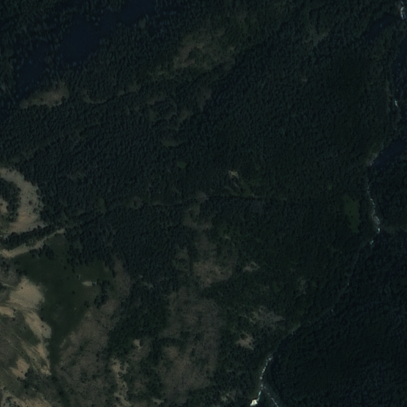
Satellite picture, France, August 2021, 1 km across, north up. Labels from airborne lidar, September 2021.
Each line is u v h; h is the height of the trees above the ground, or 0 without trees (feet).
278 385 53
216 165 84
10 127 66
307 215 43
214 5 63
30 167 53
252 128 100
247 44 47
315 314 37
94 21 74
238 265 25
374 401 105
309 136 61
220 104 64
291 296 31
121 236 79
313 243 74
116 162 71
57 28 49
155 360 38
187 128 76
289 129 69
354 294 63
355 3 123
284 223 59
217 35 25
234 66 34
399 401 31
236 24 30
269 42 64
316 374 64
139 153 82
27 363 0
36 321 0
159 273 65
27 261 0
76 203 57
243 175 56
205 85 48
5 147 40
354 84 79
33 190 0
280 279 34
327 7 66
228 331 26
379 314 88
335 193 47
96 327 0
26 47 48
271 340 83
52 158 73
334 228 45
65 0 60
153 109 79
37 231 55
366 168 40
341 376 68
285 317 32
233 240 31
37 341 0
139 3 66
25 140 45
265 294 30
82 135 52
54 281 0
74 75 45
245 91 58
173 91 24
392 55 105
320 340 76
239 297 27
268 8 65
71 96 41
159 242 58
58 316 0
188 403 36
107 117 64
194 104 46
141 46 90
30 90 24
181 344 20
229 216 76
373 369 74
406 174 22
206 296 36
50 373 0
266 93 98
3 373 0
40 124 52
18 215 36
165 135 78
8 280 0
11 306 0
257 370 63
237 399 30
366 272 66
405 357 68
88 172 75
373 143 57
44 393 0
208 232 39
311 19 42
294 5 77
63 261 0
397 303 80
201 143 77
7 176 0
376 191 58
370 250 64
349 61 51
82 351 23
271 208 56
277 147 81
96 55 54
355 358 56
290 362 61
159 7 24
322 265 63
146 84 30
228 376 41
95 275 0
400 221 54
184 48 20
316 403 62
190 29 75
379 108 69
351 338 49
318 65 61
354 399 82
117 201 61
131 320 40
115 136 105
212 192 26
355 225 0
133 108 33
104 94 67
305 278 20
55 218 56
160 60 54
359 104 83
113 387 32
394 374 65
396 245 56
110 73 80
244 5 47
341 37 50
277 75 51
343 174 62
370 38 45
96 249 65
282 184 47
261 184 30
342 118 86
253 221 42
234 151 44
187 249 27
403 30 74
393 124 78
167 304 18
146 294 32
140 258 57
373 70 108
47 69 31
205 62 21
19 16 64
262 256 38
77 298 0
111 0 61
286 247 43
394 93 23
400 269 66
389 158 51
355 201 49
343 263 62
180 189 48
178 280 32
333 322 59
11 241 56
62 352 0
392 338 50
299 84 47
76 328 0
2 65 50
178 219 65
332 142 61
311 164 59
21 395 0
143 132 72
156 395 34
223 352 21
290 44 50
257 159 58
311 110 64
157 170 51
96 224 41
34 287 0
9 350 0
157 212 66
